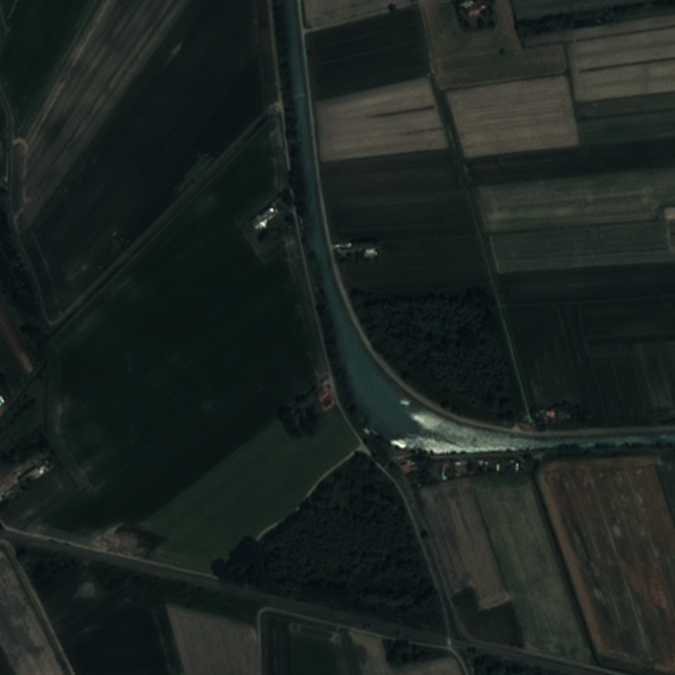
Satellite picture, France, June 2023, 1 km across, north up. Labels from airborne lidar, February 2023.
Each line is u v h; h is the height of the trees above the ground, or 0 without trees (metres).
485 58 0
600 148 0
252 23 0
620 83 0
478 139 0
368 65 0
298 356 0
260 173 0
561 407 6
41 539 0
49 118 0
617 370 0
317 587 18
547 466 0
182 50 0
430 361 18
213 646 0
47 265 0
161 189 0
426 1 0
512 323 0
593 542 0
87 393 0
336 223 0
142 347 0
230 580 26
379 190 0
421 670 0
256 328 0
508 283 0
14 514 0
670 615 0
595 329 0
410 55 0
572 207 0
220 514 0
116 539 0
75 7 0
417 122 0
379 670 0
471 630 0
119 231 0
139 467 0
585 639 0
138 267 0
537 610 0
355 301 9
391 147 0
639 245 0
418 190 0
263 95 0
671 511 0
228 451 0
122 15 0
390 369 0
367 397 0
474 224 0
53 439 0
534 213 0
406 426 0
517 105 0
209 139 0
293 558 16
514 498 0
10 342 0
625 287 0
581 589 0
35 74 0
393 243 0
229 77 0
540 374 0
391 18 0
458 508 0
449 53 0
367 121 0
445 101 0
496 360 15
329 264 0
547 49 0
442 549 0
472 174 0
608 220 0
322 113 0
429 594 19
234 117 0
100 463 0
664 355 0
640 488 0
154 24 0
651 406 0
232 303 0
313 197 0
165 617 0
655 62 0
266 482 0
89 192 0
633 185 0
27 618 0
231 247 0
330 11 0
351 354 0
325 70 0
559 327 0
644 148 0
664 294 0
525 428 0
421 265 0
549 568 0
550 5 0
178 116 0
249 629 0
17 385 0
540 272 0
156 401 0
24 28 0
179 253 0
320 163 0
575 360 0
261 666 0
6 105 0
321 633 0
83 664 0
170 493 0
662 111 0
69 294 0
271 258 0
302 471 0
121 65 0
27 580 0
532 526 0
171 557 0
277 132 0
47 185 0
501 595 0
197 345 0
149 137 0
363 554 16
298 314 0
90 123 0
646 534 0
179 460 0
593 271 0
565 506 0
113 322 0
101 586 0
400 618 7
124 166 0
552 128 0
